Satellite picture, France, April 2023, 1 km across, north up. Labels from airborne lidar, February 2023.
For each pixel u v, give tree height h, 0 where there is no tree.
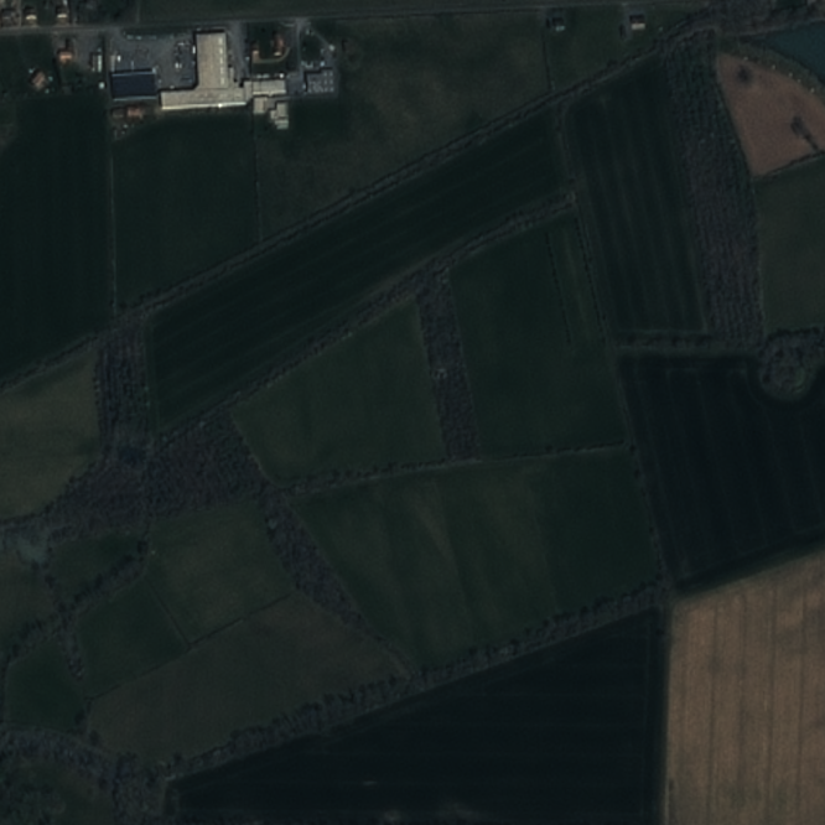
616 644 0
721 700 0
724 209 7
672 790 0
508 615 0
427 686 14
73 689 0
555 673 0
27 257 0
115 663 0
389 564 0
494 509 0
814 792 0
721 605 0
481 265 0
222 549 0
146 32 0
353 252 0
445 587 0
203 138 0
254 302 0
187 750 0
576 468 0
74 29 0
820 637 0
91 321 0
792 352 20
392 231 0
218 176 0
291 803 0
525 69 0
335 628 0
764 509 0
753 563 0
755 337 9
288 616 0
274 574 0
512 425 0
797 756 0
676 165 0
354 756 0
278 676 0
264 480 8
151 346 0
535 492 0
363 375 0
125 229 0
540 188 0
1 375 0
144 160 0
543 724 0
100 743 19
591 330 0
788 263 0
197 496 10
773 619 0
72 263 0
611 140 0
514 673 0
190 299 0
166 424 0
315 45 0
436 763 0
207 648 0
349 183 0
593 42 0
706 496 0
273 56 0
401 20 0
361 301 0
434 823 0
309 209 0
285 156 0
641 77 0
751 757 0
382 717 0
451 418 13
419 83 0
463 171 0
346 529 0
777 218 0
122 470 12
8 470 0
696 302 0
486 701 0
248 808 0
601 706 0
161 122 0
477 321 0
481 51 0
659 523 0
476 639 0
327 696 0
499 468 0
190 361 0
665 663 0
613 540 0
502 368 0
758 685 0
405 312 0
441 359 16
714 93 12
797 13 15
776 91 0
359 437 0
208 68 0
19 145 0
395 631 0
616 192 0
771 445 0
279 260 0
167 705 0
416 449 0
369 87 0
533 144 0
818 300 0
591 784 0
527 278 0
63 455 0
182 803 0
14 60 0
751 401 0
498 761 0
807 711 0
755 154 0
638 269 0
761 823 0
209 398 0
